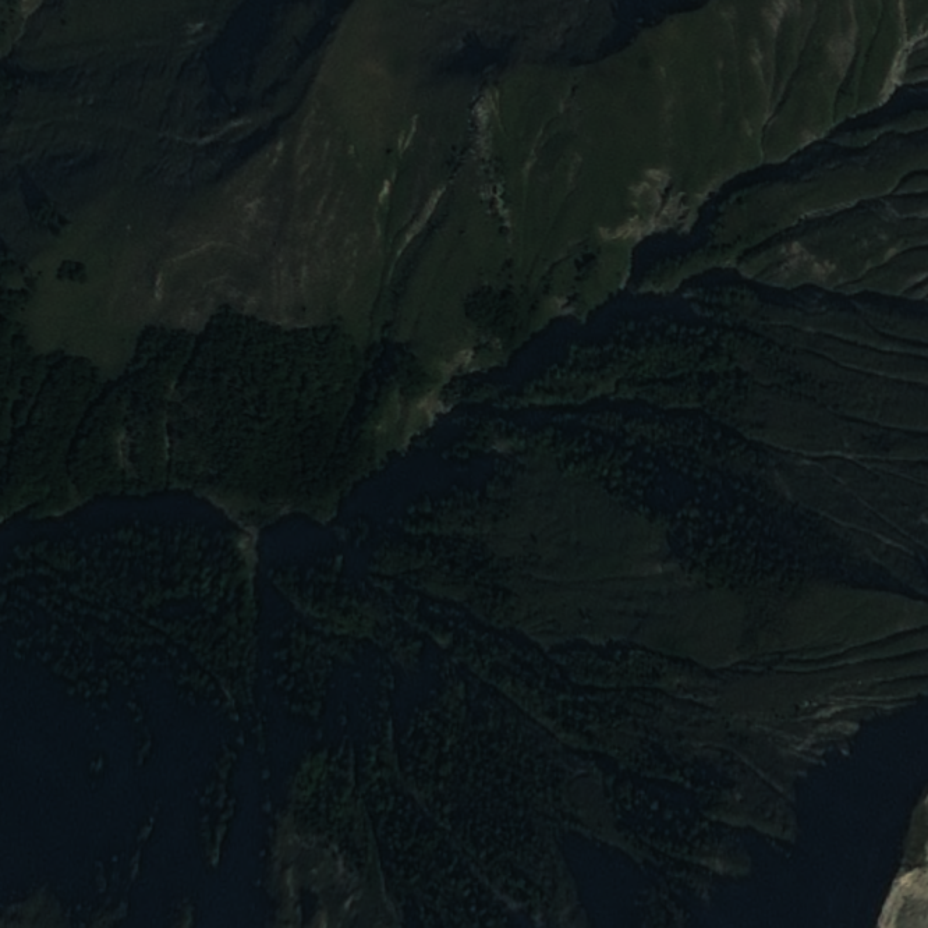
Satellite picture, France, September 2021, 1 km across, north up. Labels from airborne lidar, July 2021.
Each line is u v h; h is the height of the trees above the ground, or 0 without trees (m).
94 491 18
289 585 11
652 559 0
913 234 0
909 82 0
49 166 0
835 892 0
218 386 23
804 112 0
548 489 0
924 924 0
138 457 14
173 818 0
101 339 0
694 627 0
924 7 0
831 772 0
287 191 0
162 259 0
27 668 26
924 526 0
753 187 9
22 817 6
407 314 0
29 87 0
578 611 0
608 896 0
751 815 0
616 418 8
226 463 15
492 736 6
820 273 0
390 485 7
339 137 0
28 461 24
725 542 9
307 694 14
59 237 12
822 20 0
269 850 11
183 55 0
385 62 0
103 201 0
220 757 17
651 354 9
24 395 12
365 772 10
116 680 18
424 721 11
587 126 0
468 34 0
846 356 0
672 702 0
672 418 6
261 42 0
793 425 0
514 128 0
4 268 15
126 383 13
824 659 0
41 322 0
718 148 0
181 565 16
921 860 0
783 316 0
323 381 18
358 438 18
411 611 11
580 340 10
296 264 0
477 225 0
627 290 0
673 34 0
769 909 0
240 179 0
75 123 0
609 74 0
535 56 0
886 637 0
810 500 0
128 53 0
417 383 16
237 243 0
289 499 14
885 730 0
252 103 0
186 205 0
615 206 0
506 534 0
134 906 0
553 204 0
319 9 0
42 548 21
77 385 26
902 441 0
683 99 0
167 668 14
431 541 11
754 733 0
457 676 9
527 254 0
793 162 0
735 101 0
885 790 0
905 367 0
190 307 0
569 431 8
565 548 0
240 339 19
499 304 12
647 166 0
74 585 16
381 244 0
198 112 0
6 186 0
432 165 0
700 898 0
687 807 7
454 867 7
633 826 6
